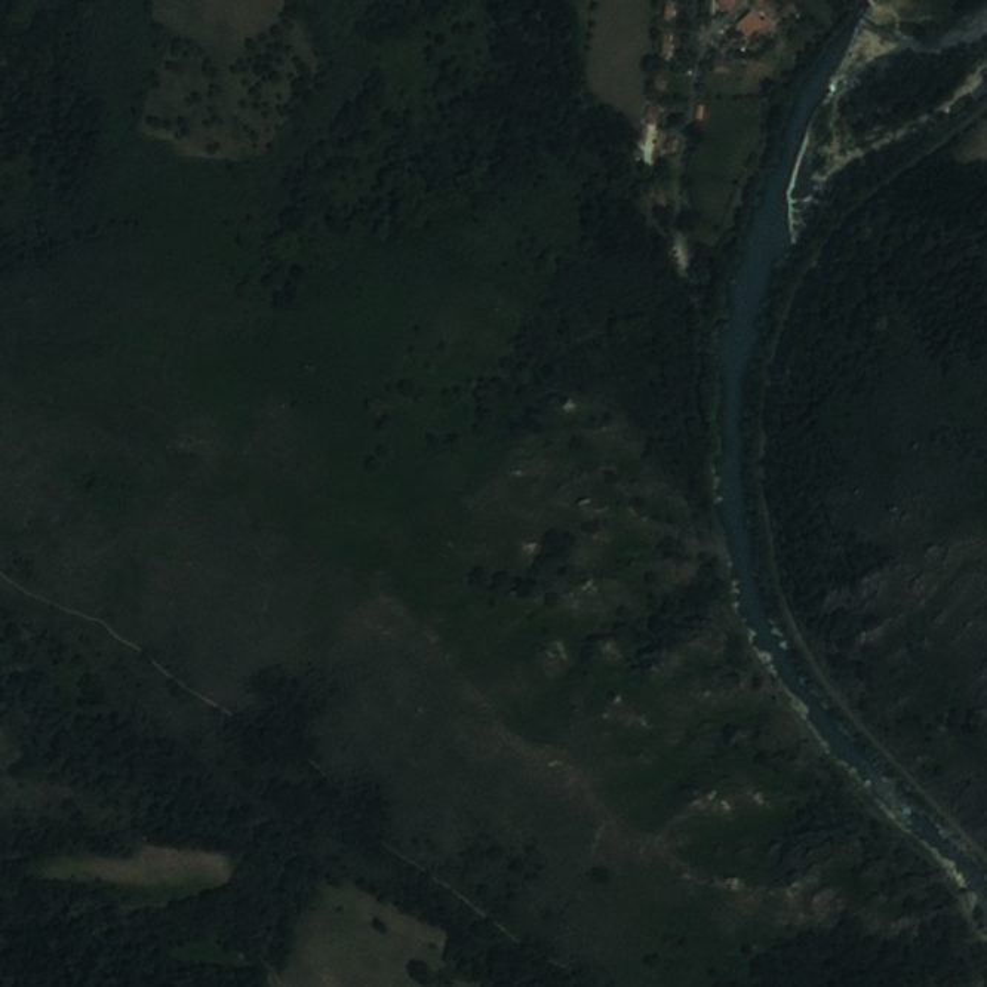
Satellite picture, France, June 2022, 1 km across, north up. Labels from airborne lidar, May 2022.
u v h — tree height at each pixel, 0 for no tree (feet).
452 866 21
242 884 40
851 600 32
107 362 0
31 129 73
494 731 0
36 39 52
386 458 25
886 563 34
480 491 0
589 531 48
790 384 55
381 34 57
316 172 29
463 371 0
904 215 35
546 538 23
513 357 27
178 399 0
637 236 65
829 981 58
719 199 0
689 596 67
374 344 0
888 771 27
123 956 66
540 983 33
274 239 53
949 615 0
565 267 41
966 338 37
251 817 85
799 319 36
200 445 0
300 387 0
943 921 48
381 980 0
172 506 0
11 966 87
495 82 34
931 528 0
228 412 0
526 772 0
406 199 78
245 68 28
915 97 66
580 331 38
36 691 89
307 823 40
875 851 69
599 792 0
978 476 0
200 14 0
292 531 0
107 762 65
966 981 58
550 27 22
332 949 0
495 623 0
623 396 30
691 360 42
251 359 0
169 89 0
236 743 30
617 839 0
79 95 24
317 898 50
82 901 90
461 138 73
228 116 0
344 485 0
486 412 65
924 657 44
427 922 32
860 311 50
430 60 29
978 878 0
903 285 46
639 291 53
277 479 0
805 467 41
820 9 0
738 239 34
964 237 42
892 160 60
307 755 23
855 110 57
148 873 0
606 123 60
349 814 26
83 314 0
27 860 31
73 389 0
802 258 52
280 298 56
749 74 0
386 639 0
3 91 37
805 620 34
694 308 54
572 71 73
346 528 0
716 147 0
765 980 66
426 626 0
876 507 0
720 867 0
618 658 29
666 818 0
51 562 0
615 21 0
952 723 46
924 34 92
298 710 33
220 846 40
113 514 0
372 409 40
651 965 52
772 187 0
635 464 0
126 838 29
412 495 0
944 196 57
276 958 69
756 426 37
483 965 37
